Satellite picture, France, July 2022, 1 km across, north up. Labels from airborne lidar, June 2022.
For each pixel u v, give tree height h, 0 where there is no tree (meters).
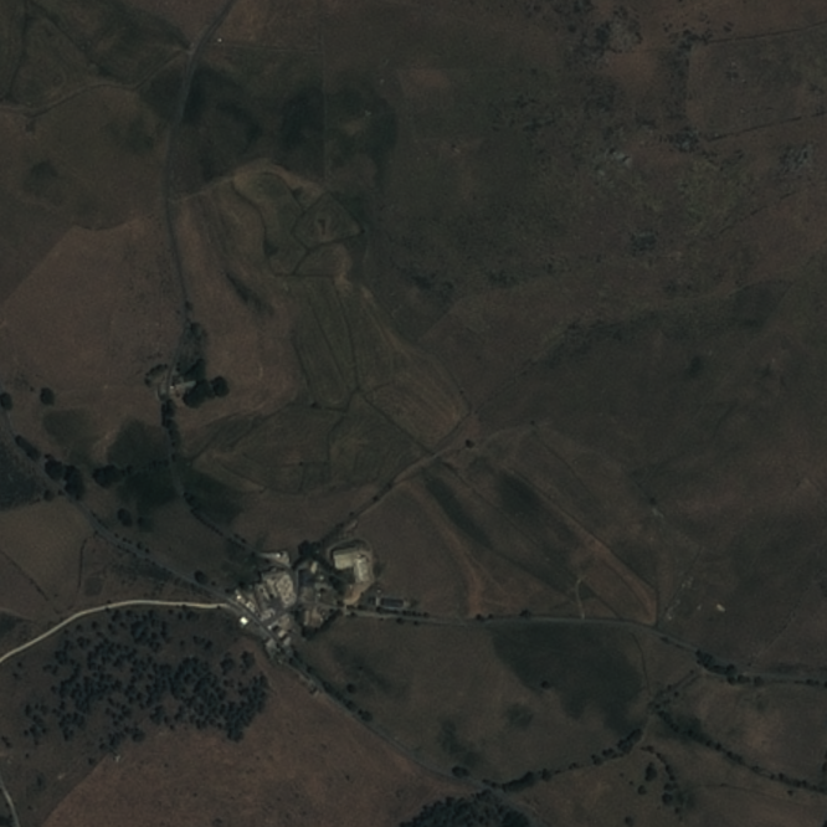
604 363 0
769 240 0
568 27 0
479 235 0
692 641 0
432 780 0
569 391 0
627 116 0
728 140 0
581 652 0
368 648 0
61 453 0
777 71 0
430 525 0
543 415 0
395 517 0
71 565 0
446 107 0
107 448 0
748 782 0
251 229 0
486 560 0
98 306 0
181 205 0
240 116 0
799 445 0
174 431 11
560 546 0
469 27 0
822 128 0
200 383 15
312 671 12
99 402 0
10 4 0
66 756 0
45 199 0
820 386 0
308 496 0
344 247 0
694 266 0
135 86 0
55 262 0
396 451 0
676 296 0
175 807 0
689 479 0
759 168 0
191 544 0
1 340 0
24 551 0
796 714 0
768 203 0
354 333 0
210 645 13
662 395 0
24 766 0
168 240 0
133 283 0
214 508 0
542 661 0
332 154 0
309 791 0
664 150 0
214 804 0
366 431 0
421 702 0
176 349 0
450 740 0
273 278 0
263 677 8
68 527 0
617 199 0
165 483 0
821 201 0
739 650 0
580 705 0
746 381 0
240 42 0
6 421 0
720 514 0
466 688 0
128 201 0
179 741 0
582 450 0
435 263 0
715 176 0
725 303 0
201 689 13
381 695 0
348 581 0
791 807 0
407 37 0
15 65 0
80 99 0
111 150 0
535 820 0
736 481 0
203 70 0
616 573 0
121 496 0
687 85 0
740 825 0
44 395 10
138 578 0
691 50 0
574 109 0
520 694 0
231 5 0
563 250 0
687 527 0
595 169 0
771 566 0
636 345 0
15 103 0
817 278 0
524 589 0
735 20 0
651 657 0
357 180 0
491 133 0
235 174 0
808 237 0
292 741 0
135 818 0
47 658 0
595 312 0
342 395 0
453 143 0
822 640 0
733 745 0
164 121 0
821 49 0
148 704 9
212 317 0
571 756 0
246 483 0
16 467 0
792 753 0
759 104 0
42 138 0
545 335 0
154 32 0
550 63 0
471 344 0
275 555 0
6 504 0
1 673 0
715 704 0
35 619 0
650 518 0
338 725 0
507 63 0
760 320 0
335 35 0
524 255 0
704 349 0
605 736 0
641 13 0
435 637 0
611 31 0
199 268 0
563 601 0
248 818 0
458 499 0
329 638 0
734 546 0
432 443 0
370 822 0
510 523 0
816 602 0
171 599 0
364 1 0
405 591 0
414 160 0
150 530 0
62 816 0
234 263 0
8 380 0
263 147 0
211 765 0
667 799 11
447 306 0
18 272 0
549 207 0
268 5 0
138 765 0
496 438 0
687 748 0
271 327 0
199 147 0
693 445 0
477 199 0
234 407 0
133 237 0
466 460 0
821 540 0
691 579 0
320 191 0
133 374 0
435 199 0
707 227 0
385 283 0
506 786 11
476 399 0
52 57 0
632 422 0
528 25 0
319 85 0
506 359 0
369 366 0
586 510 0
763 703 0
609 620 0
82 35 0
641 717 0
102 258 0
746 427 0
